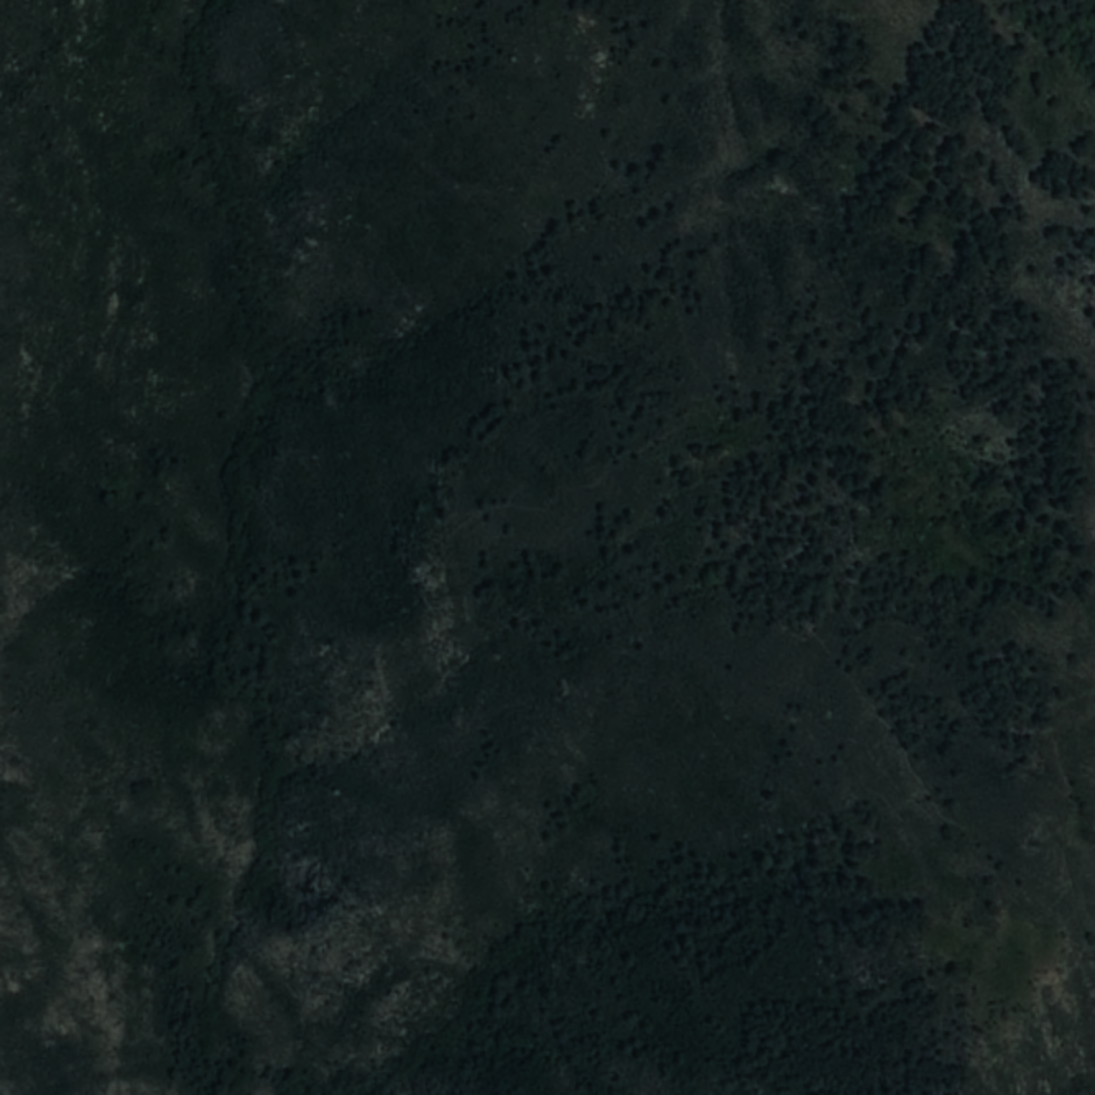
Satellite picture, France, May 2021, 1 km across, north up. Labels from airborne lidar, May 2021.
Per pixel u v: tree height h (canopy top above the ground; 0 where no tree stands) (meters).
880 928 19
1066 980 0
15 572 0
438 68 11
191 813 6
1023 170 0
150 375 8
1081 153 18
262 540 5
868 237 21
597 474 0
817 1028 16
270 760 12
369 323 12
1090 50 21
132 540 18
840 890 18
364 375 10
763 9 0
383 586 6
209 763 6
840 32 16
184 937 6
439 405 6
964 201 25
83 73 6
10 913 0
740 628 16
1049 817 0
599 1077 8
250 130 8
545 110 7
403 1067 15
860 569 14
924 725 10
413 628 5
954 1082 12
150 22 5
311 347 8
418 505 14
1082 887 0
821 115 18
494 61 7
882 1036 16
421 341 9
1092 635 0
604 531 20
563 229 22
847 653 13
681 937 7
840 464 19
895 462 8
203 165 18
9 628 0
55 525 8
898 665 0
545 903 6
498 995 26
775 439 14
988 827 0
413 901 0
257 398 15
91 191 6
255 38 0
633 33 23
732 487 16
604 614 15
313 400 7
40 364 7
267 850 14
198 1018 14
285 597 5
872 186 22
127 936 9
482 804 0
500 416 11
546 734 0
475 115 8
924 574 7
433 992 9
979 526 10
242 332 16
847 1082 21
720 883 17
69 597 7
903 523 15
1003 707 25
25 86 9
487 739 13
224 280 11
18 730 0
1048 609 19
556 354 15
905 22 0
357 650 0
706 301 16
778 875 20
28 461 6
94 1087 0
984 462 8
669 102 17
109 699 5
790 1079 14
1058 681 0
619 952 6
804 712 12
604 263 16
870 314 16
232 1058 7
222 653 15
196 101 6
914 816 0
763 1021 19
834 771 0
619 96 6
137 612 11
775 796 15
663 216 15
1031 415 18
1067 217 0
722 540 9
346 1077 6
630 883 17
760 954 13
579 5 14
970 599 21
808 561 16
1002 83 23
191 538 6
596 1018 18
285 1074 8
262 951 0
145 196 6
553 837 20
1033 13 8
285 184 7
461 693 6
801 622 18
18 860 0
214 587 6
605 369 15
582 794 21
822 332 13
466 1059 8
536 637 16
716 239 8
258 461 9
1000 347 19
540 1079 6
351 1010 6
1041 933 0
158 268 6
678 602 15
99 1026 0
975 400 14
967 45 18
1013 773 15
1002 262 9
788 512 13
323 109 6
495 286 8
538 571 19
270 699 11
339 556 5
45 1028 0
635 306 15
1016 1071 0
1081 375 12
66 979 0
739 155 0
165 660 8
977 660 18
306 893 13
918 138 25
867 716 0
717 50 0
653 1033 7
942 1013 15
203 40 8
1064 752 0
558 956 9
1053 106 12
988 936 0
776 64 0
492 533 0
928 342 22
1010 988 0
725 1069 11
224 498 13
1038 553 13
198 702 9
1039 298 0
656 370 6
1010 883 0
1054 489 21
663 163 22
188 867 6
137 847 15
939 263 16
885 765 0
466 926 8
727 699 0
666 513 22
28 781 0
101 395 6
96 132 6
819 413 23
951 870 0
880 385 14
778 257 6
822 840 18
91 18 9
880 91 14
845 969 15
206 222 6
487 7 9
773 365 11
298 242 7
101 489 7
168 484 16
